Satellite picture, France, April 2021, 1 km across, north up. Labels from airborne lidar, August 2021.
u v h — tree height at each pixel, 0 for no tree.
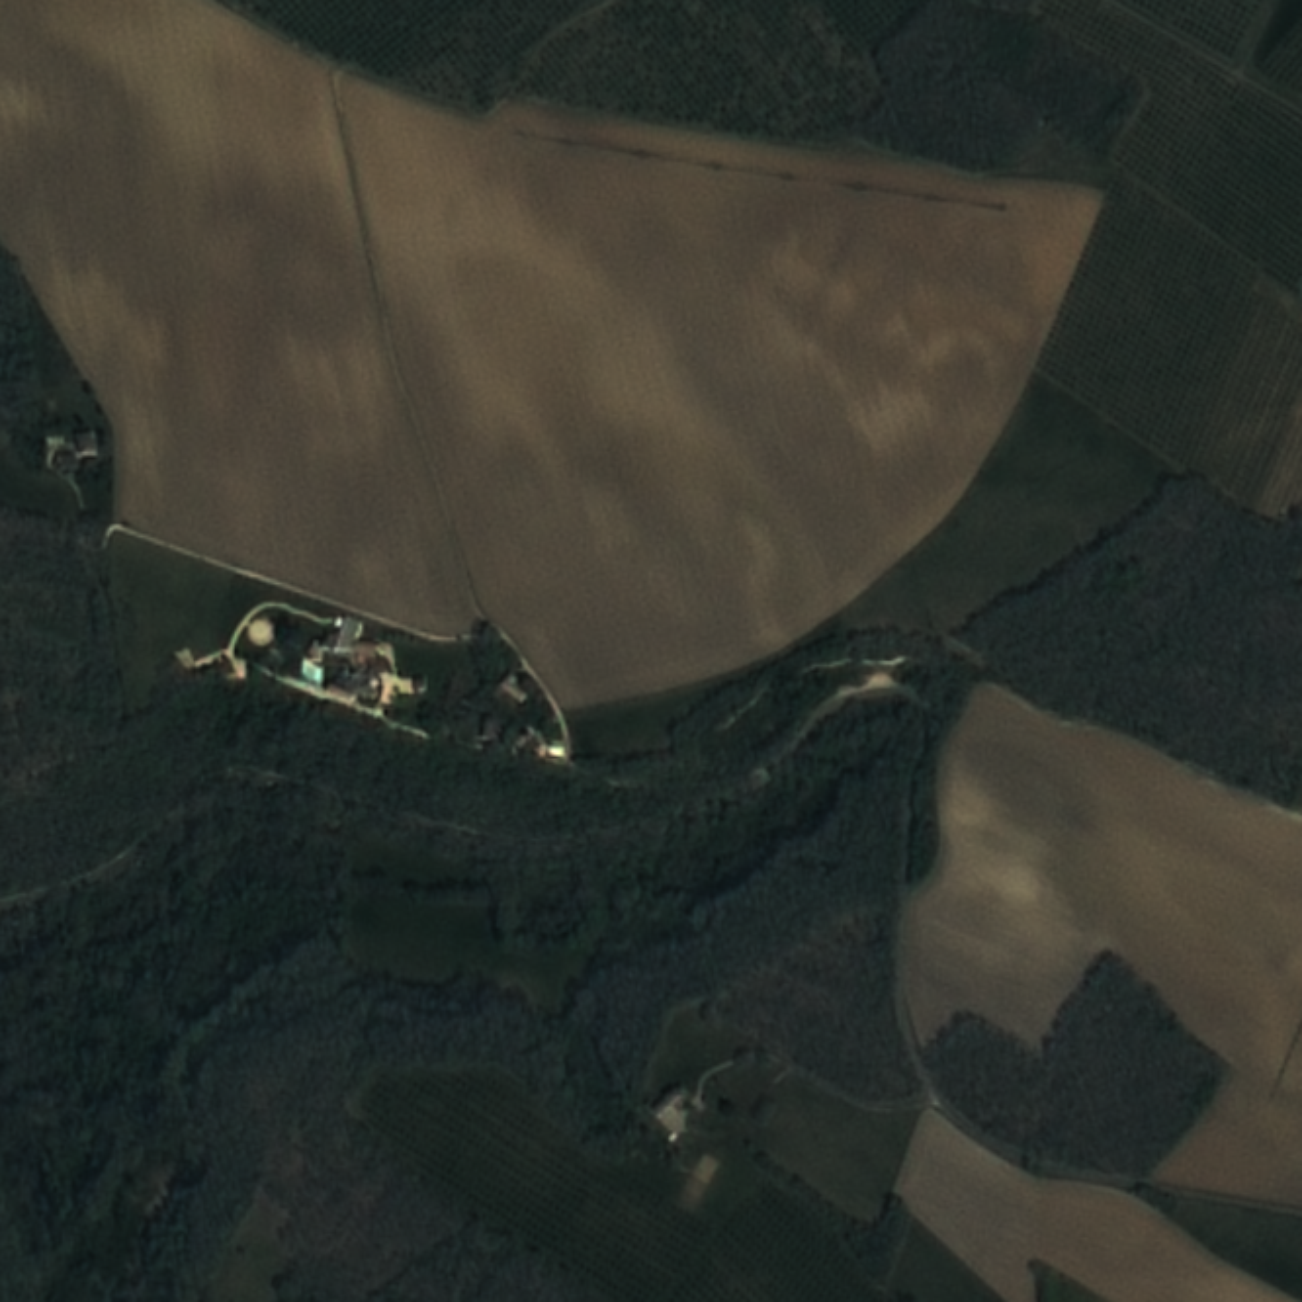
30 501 0
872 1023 13
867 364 0
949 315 0
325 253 0
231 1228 13
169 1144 28
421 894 16
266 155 0
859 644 12
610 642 0
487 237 0
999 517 0
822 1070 12
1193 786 0
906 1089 7
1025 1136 12
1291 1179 0
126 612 6
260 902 19
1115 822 0
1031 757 0
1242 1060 0
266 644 0
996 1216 0
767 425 0
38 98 0
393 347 0
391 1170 12
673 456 0
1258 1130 0
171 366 0
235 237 0
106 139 0
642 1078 16
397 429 0
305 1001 18
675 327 0
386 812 19
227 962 7
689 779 11
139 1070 11
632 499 0
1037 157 0
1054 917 0
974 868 0
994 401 0
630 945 20
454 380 0
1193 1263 0
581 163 0
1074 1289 0
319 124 0
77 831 21
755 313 0
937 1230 0
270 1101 10
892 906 17
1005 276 0
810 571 0
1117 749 0
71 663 9
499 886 21
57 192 0
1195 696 18
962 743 0
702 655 0
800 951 8
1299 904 0
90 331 0
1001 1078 11
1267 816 0
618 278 0
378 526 0
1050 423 0
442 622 0
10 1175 19
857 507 0
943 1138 0
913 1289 0
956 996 0
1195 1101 10
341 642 0
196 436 0
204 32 0
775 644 0
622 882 18
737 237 0
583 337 0
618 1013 18
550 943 16
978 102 10
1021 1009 0
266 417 0
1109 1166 12
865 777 12
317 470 0
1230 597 20
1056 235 0
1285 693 16
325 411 0
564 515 0
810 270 0
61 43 0
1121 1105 14
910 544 0
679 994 14
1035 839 0
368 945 0
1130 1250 0
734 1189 0
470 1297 13
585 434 0
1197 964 0
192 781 17
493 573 0
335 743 25
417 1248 13
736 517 0
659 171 0
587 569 0
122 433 0
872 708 11
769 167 0
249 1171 16
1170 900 0
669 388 0
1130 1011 15
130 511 0
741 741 12
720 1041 0
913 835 9
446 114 0
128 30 0
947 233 0
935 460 0
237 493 0
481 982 8
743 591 0
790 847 22
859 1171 0
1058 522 0
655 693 0
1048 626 20
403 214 0
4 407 14
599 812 23
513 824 18
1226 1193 0
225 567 0
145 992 22
